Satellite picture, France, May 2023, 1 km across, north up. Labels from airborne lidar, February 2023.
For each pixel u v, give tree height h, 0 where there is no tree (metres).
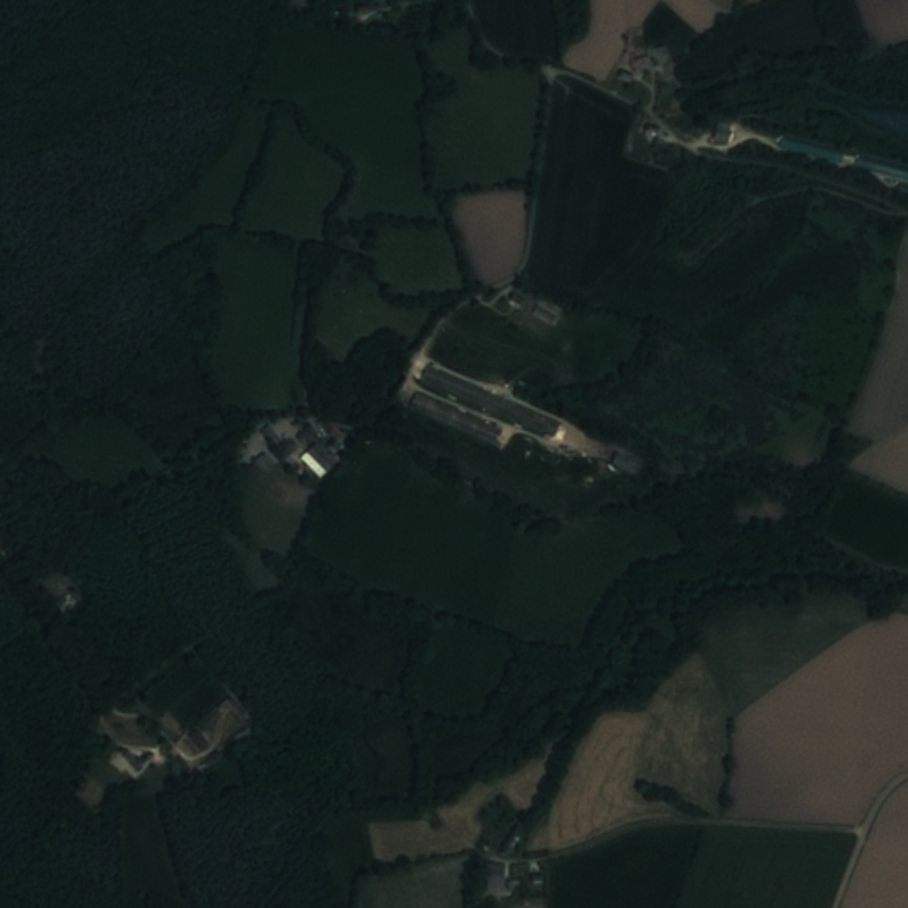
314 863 16
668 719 0
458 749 0
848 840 0
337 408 23
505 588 0
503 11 0
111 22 14
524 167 0
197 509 21
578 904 0
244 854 14
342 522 0
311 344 13
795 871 0
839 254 0
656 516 9
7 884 17
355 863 0
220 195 0
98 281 17
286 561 9
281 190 0
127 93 13
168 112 14
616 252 0
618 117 0
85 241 14
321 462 0
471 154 0
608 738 0
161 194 15
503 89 0
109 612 18
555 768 20
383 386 13
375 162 0
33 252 13
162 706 0
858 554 0
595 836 0
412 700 16
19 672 9
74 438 0
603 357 0
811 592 18
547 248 0
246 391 0
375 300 0
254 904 16
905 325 0
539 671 19
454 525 0
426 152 9
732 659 0
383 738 0
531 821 13
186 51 14
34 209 14
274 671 19
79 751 16
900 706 0
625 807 0
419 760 16
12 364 15
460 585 0
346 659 0
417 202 0
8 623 17
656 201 0
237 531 15
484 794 0
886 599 19
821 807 0
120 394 17
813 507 10
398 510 0
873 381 0
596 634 21
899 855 0
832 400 0
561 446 0
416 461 10
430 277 0
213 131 13
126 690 16
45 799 16
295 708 19
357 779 16
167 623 17
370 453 0
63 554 22
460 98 0
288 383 0
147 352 20
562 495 0
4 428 17
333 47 0
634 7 0
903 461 0
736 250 0
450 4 9
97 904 18
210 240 16
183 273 16
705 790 0
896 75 9
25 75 18
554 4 9
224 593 20
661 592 12
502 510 10
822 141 8
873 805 0
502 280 0
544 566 0
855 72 12
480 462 0
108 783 0
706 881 0
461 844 0
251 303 0
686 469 8
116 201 14
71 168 18
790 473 7
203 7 14
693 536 17
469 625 10
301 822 17
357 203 0
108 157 15
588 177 0
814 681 0
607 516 8
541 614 0
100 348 16
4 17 25
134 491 16
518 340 0
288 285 0
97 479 0
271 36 12
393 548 0
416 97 0
